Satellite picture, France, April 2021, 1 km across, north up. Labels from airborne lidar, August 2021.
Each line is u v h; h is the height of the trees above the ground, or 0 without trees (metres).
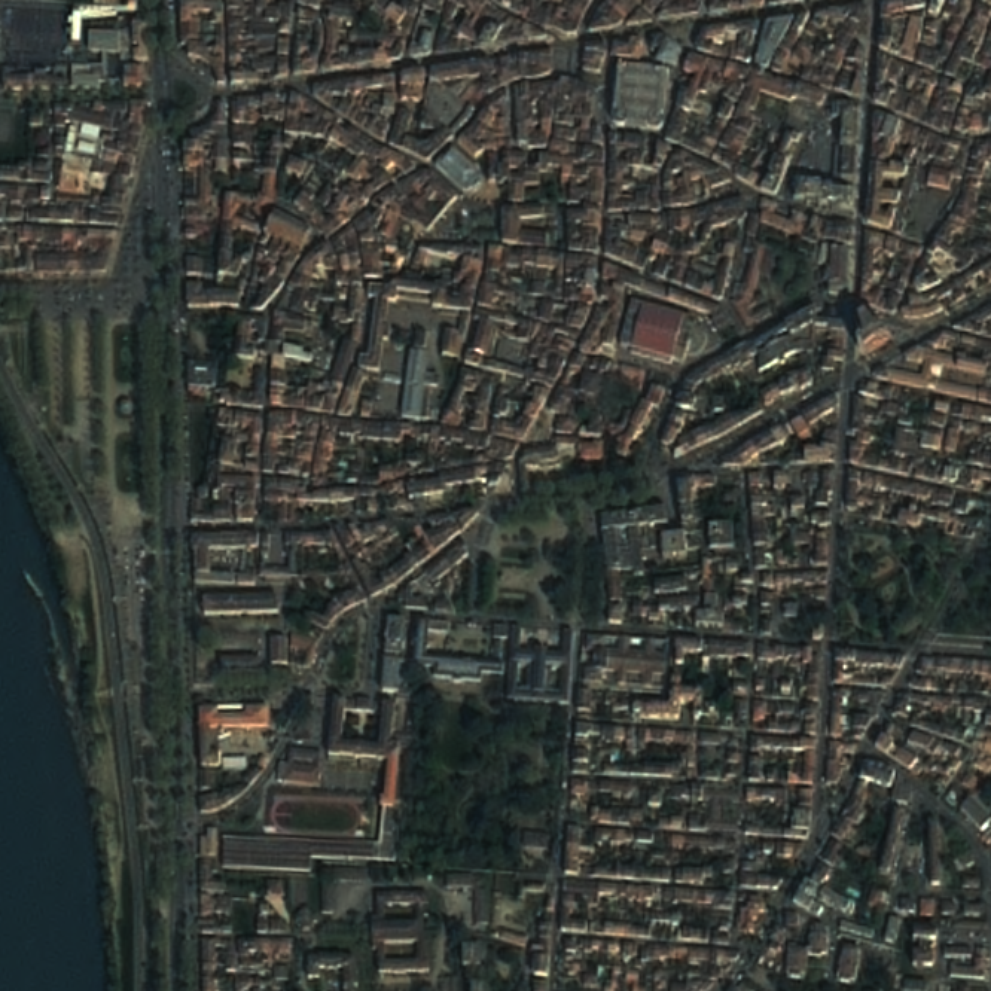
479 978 20
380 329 0
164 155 0
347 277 0
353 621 7
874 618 17
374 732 11
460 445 6
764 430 7
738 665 12
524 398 7
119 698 0
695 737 0
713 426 0
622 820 0
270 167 0
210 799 0
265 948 0
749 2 0
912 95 0
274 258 0
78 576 0
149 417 27
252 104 0
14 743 0
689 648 0
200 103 0
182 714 18
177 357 28
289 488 0
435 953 0
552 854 9
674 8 0
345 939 14
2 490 0
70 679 0
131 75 0
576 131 0
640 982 7
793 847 0
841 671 0
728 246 0
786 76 0
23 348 0
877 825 14
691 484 0
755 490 0
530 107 0
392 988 0
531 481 6
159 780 20
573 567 19
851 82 0
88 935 0
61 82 0
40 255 0
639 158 0
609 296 0
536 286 0
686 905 8
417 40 0
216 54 0
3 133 0
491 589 14
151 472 29
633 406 14
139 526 0
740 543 17
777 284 10
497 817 22
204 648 32
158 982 19
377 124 0
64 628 0
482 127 0
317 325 0
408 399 0
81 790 0
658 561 7
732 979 0
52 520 13
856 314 0
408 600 0
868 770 0
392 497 13
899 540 18
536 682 0
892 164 0
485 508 0
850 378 0
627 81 0
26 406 0
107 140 0
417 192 0
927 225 0
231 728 0
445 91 0
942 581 11
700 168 0
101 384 17
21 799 0
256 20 0
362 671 7
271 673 19
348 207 0
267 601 0
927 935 0
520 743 21
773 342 0
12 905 0
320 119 0
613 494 23
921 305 0
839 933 0
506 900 0
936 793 6
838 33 0
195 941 13
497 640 0
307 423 0
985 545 7
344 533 0
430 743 22
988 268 0
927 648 0
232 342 6
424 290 0
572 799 7
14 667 0
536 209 0
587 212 0
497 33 0
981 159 0
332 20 0
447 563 0
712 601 0
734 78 0
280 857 0
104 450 13
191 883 9
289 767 0
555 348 0
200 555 0
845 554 9
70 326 16
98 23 9
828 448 0
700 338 0
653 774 0
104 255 0
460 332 0
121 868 0
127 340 0
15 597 0
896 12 0
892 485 0
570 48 0
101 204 0
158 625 21
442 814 27
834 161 0
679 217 0
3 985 0
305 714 18
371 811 13
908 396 12
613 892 0
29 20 0
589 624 18
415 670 23
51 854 0
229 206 0
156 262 21
